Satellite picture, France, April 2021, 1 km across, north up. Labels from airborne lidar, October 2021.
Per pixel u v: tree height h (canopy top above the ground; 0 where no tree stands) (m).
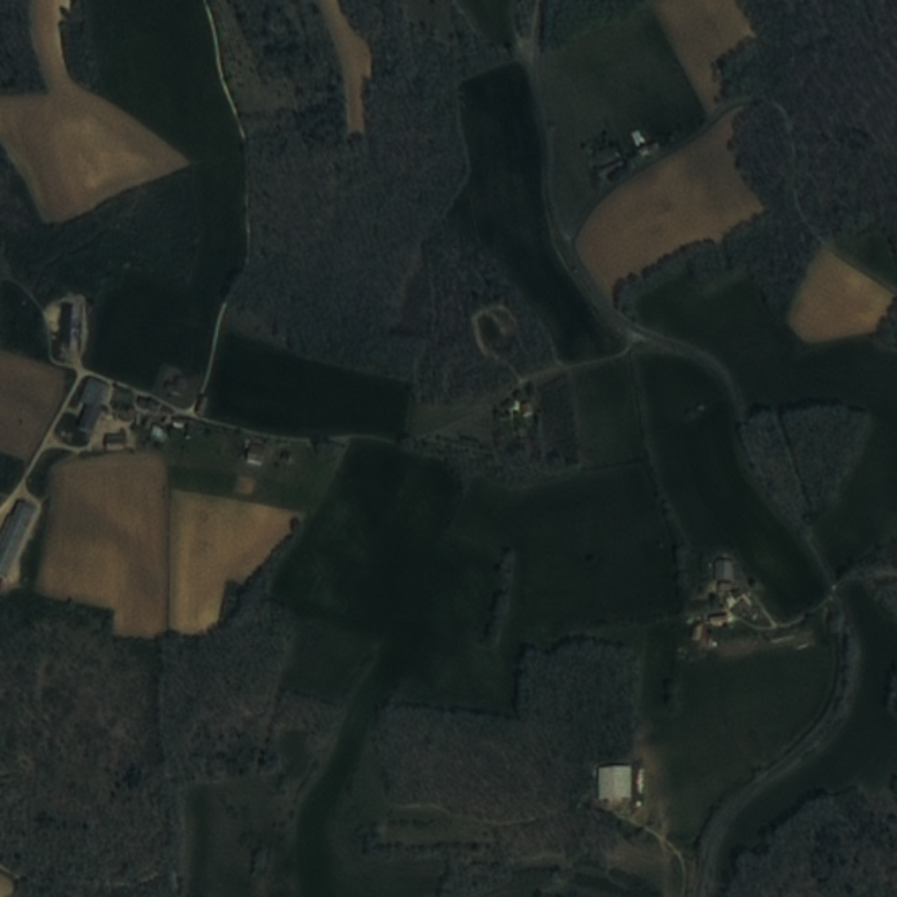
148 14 0
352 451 0
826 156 15
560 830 17
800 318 0
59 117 0
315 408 0
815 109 15
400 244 15
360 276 18
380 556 0
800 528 12
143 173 0
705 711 0
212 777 12
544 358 15
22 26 21
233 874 0
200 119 0
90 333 0
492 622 8
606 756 13
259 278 15
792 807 0
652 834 0
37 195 0
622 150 9
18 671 8
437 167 15
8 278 0
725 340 0
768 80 16
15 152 0
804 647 0
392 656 0
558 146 0
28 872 12
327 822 0
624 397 0
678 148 0
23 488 0
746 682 0
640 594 0
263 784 0
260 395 0
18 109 0
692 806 0
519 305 15
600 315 0
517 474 16
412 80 16
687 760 0
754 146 19
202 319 0
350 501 0
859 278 0
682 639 0
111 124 0
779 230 14
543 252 0
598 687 21
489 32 0
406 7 9
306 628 0
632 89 0
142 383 0
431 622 0
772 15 22
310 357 11
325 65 19
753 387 0
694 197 0
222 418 0
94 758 6
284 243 12
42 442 0
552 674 21
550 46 12
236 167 0
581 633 0
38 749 12
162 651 22
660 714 0
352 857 0
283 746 0
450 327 9
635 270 0
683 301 0
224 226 0
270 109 0
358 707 0
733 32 0
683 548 11
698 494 0
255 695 17
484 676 0
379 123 17
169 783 16
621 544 0
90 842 8
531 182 0
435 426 0
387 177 14
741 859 18
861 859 11
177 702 21
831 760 0
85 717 0
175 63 0
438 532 0
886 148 17
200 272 0
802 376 0
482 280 9
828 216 15
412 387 10
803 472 17
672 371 0
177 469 0
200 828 0
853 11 21
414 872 0
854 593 0
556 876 16
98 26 0
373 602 0
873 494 0
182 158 0
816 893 9
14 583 0
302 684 0
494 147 0
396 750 13
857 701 0
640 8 17
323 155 13
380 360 18
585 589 0
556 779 15
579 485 0
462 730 16
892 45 16
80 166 0
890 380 0
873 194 18
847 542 0
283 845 0
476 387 13
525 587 0
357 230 17
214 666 20
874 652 0
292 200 14
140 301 0
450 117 18
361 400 0
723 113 0
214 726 12
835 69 19
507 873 14
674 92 0
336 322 16
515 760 17
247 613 16
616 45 0
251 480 0
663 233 0
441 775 14
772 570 0
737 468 0
